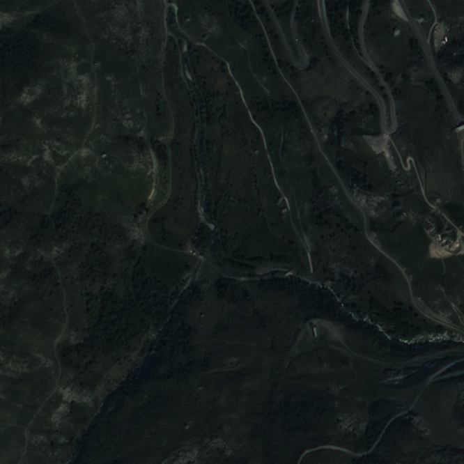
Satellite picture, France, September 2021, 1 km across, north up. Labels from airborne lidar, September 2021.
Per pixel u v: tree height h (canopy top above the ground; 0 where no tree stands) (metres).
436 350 0
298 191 0
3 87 0
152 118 0
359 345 0
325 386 0
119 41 0
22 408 0
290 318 0
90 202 0
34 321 0
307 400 0
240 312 0
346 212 0
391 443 0
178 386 0
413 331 10
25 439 0
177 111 0
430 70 0
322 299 8
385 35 0
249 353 0
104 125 0
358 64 0
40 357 0
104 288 10
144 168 0
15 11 0
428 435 0
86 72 0
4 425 0
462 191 0
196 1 0
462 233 0
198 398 0
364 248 0
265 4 0
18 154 0
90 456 0
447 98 0
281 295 0
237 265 10
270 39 0
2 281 0
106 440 0
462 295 0
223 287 7
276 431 0
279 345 0
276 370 0
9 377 0
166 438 0
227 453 0
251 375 0
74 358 0
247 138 0
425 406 0
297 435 0
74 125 0
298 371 0
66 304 0
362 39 0
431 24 0
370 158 0
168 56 0
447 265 0
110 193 0
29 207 0
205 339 0
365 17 0
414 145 0
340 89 0
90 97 0
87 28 0
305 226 0
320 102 0
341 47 0
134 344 0
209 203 7
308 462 0
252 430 0
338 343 0
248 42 0
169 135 0
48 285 0
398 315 9
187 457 0
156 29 0
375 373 0
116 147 0
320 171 0
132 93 0
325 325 0
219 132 0
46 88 0
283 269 0
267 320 0
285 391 0
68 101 0
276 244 0
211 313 0
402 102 0
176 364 0
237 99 0
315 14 0
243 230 0
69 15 0
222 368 0
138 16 0
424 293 0
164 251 0
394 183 0
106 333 6
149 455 0
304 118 0
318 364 0
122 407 0
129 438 0
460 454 0
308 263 0
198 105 7
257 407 0
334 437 0
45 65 0
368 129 0
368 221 0
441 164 0
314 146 0
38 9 0
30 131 0
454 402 0
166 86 0
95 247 11
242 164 0
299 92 0
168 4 0
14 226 0
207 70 0
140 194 0
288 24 0
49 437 0
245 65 0
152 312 8
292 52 0
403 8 0
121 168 0
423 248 0
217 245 10
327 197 0
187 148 0
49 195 0
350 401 0
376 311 16
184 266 0
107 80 0
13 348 0
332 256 0
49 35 0
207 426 0
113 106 0
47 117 0
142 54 0
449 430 0
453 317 0
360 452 0
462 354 0
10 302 0
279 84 0
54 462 0
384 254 0
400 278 0
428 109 0
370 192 16
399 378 0
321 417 0
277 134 0
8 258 0
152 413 0
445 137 0
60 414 0
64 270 0
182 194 0
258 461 0
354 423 0
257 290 0
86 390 0
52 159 0
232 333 0
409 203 0
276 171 0
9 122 0
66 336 0
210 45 0
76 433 0
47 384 0
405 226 0
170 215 0
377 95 0
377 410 0
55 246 0
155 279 6
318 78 0
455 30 0
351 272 0
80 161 0
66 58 0
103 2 0
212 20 0
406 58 0
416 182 0
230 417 0
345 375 0
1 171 6
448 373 0
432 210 0
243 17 7
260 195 6
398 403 0
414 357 0
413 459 0
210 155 7
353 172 8
